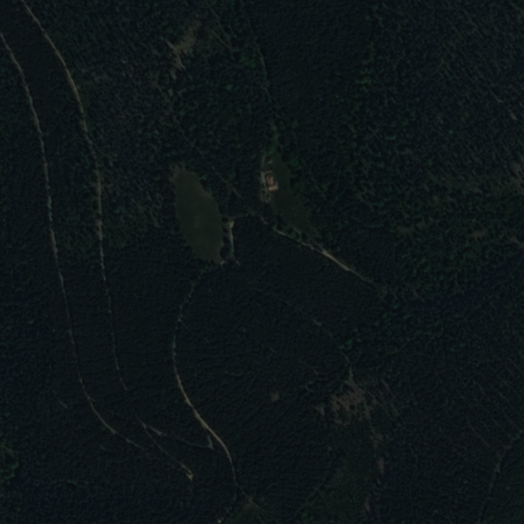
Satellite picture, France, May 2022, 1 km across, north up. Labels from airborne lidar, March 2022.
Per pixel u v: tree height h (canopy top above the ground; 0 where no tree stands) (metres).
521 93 10
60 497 23
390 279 23
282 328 15
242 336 16
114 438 21
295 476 20
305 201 7
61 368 18
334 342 20
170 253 8
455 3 11
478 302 22
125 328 17
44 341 23
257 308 17
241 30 14
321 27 25
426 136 11
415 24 30
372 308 13
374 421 7
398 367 24
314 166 25
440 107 29
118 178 32
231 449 18
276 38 25
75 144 6
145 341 16
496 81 28
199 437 23
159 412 15
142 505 27
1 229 24
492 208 12
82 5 11
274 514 14
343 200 28
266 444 18
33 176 9
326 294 16
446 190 15
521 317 19
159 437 19
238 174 22
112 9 15
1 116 20
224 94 24
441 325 20
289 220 0
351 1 21
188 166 27
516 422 16
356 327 13
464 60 29
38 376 19
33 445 20
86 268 8
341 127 24
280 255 19
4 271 23
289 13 25
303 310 14
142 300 14
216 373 10
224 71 26
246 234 15
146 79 29
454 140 32
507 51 31
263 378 13
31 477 29
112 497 24
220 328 17
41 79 13
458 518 15
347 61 22
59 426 24
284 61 19
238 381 12
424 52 29
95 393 22
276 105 15
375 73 37
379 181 14
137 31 25
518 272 21
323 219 27
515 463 10
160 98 30
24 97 33
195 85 14
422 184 9
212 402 16
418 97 12
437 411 22
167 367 21
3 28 9
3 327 26
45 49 9
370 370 21
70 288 17
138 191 29
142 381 19
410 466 21
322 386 14
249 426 17
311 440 17
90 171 30
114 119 30
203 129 19
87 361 17
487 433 18
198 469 20
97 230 9
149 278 17
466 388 17
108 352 20
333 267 17
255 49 16
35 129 6
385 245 21
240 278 22
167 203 15
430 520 14
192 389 14
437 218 15
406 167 30
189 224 0
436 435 23
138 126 32
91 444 23
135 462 23
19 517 28
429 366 20
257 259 23
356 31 24
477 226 6
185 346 14
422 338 16
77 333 18
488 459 16
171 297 13
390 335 25
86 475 19
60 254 12
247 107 20
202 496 23
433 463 18
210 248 0
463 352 22
